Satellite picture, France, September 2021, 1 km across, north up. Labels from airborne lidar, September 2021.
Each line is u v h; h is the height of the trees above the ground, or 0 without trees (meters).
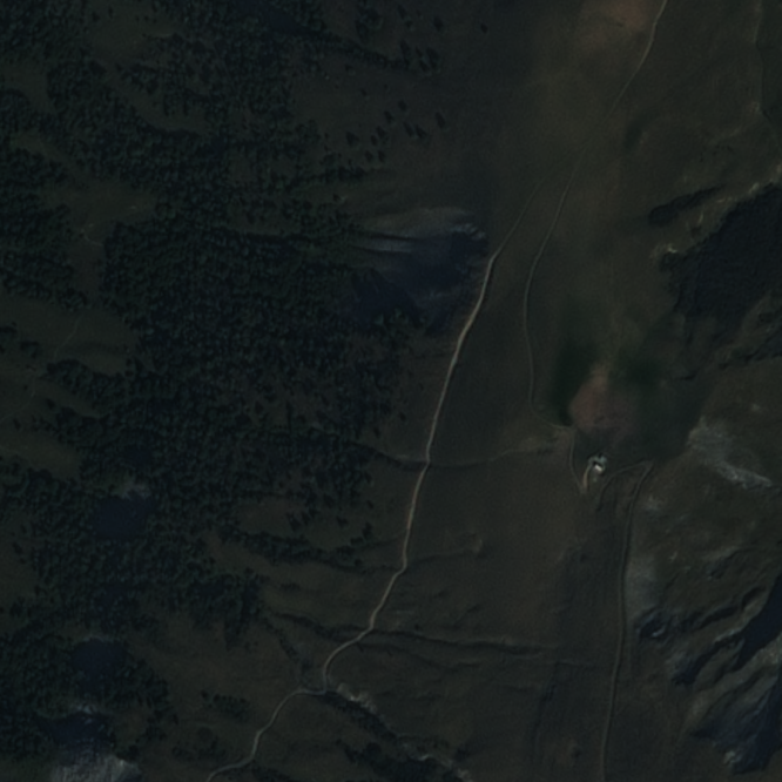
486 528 0
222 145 12
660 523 0
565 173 0
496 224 0
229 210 7
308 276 7
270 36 10
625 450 0
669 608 0
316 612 0
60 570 11
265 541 11
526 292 0
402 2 0
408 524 0
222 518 7
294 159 9
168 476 9
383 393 12
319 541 0
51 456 0
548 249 0
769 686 0
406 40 0
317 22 8
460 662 0
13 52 13
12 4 12
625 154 0
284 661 0
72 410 0
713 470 0
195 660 0
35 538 6
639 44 0
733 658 0
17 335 8
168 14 12
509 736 0
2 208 15
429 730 0
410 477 0
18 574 0
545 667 0
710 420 0
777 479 0
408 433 0
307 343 8
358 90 0
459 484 0
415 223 0
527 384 0
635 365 0
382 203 0
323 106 0
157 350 14
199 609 7
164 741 7
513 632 0
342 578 0
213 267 9
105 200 0
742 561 0
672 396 0
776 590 0
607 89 0
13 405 0
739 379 0
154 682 9
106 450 15
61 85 18
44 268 15
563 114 0
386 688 0
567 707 0
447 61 0
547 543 0
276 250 7
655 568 0
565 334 0
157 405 9
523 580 0
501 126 0
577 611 0
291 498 8
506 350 0
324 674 0
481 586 0
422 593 0
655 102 0
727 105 0
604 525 0
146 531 9
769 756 0
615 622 0
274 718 0
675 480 0
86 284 0
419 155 0
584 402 0
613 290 0
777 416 0
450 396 0
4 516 8
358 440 11
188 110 8
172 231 12
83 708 0
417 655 0
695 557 0
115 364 0
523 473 0
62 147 11
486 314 0
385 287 0
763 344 0
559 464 0
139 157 6
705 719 0
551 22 0
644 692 0
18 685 14
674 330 0
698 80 0
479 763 0
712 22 0
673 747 0
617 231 0
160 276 14
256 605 11
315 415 0
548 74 0
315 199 0
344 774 0
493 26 0
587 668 0
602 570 0
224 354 8
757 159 0
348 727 0
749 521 0
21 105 12
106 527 0
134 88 10
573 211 0
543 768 0
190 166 12
